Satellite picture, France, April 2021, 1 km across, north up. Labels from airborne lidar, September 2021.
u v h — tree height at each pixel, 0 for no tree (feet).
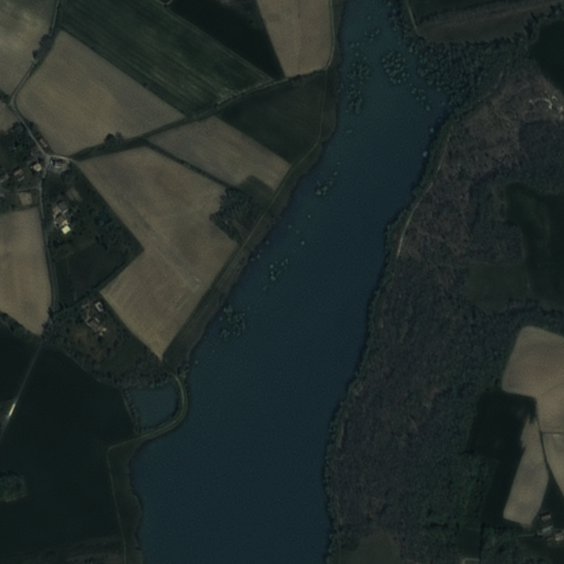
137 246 0
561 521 0
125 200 0
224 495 0
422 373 49
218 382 0
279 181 0
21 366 0
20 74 0
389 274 29
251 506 0
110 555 0
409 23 32
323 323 0
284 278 0
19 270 0
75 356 35
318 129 0
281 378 0
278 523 0
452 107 34
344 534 45
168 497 0
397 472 56
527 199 0
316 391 0
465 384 49
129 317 0
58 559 0
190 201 0
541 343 0
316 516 0
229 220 52
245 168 0
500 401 0
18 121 0
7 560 0
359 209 0
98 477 0
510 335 55
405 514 39
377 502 45
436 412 46
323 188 28
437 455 64
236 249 0
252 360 0
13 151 25
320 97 0
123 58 0
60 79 0
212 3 0
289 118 0
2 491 66
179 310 0
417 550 42
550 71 0
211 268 0
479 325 25
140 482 0
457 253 27
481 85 40
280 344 0
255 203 29
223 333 38
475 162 27
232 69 0
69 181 49
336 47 0
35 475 0
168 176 0
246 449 0
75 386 0
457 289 45
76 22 0
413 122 0
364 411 54
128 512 0
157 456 0
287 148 0
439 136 77
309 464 0
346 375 0
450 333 51
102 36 0
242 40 0
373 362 54
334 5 0
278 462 0
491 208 69
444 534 71
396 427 36
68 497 0
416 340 54
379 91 0
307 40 0
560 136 49
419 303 71
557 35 0
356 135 0
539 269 0
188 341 0
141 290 0
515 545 48
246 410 0
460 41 0
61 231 22
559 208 0
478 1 0
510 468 0
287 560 0
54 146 0
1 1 0
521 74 38
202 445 0
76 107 0
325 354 0
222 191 0
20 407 0
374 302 52
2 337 0
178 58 0
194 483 0
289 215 0
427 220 24
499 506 0
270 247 0
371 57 0
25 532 0
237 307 0
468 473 54
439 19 52
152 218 0
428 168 65
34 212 0
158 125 0
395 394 38
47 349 0
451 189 20
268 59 0
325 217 0
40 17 0
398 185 0
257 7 0
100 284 19
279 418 0
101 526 0
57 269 0
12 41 0
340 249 0
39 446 0
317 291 0
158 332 0
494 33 0
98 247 0
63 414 0
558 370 0
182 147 0
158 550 0
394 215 0
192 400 0
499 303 0
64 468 0
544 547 0
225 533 0
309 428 0
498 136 0
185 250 0
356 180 0
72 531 0
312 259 0
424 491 68
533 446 0
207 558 0
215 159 0
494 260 50
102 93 0
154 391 0
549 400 0
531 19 0
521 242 56
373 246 0
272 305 0
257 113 0
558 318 55
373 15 0
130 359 0
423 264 23
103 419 0
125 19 0
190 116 0
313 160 0
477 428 0
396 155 0
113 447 0
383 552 0
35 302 0
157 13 0
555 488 0
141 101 0
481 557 38
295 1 0
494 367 58
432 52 44
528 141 46
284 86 0
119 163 0
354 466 35
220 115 0
